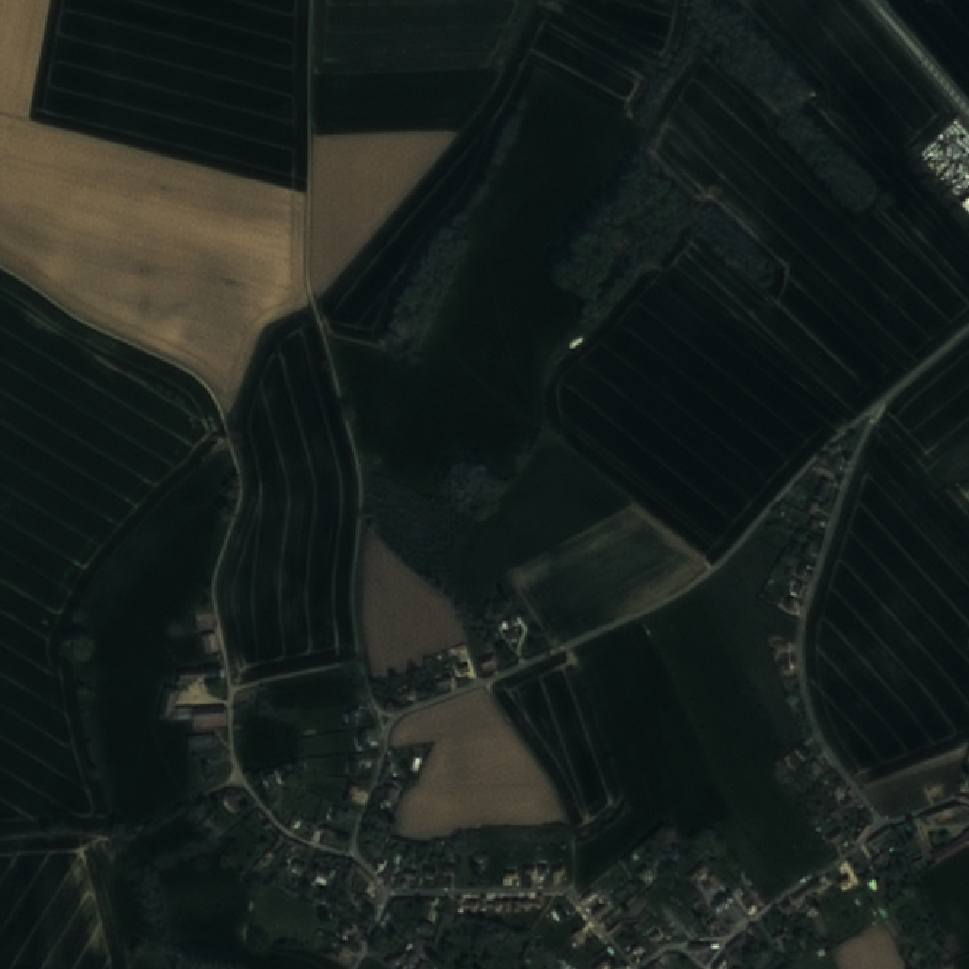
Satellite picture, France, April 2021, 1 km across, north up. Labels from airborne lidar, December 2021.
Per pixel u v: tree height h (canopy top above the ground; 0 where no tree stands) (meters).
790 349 0
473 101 0
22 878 0
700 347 0
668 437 0
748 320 0
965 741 0
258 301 0
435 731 0
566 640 0
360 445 0
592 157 0
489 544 0
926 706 0
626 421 0
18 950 0
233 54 0
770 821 0
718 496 0
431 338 0
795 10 0
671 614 0
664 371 0
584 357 0
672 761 0
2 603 0
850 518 0
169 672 0
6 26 0
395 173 0
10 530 0
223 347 0
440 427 0
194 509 0
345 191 0
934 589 0
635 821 0
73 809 0
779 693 0
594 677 0
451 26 0
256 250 0
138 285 0
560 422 0
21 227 0
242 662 0
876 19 0
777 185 0
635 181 25
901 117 0
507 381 0
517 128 14
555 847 0
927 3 0
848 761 0
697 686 0
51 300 0
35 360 0
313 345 0
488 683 0
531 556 0
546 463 0
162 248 0
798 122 16
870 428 0
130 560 0
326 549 0
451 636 0
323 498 0
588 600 0
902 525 0
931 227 0
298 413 0
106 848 12
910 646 0
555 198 0
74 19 0
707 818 0
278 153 0
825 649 0
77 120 0
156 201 0
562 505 0
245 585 0
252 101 0
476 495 23
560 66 0
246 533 0
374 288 0
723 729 0
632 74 0
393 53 0
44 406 0
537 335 0
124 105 0
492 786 0
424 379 0
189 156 0
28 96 0
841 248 0
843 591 0
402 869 8
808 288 0
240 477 17
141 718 0
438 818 0
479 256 0
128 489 0
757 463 0
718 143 0
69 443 0
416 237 0
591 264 26
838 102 0
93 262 0
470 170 0
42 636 0
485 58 0
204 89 0
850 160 19
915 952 9
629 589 0
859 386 0
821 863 0
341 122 0
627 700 0
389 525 6
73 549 0
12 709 0
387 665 0
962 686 0
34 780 0
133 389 0
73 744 0
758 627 0
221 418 0
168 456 0
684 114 0
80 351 0
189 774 0
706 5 25
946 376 0
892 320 0
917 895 8
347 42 0
